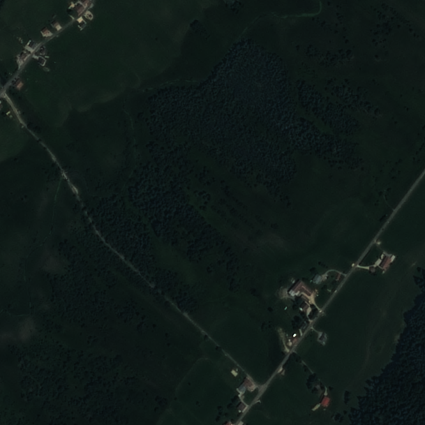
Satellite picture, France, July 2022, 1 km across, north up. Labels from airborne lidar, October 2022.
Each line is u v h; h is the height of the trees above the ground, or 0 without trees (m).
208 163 0
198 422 0
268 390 0
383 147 0
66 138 0
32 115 0
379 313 0
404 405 18
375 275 8
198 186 0
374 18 0
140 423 0
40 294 0
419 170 0
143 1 0
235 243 0
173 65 0
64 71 0
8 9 0
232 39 0
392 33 9
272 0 0
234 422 9
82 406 14
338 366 0
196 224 17
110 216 15
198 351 0
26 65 0
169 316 0
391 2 0
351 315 0
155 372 0
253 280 0
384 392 26
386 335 0
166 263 0
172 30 0
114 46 0
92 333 0
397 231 0
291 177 23
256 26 0
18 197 0
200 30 15
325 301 0
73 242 0
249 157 14
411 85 0
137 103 0
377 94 0
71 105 0
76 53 0
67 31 0
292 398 0
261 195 0
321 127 0
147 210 25
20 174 0
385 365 0
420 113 0
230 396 0
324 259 0
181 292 10
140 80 0
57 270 0
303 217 0
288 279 0
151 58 0
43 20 0
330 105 11
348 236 0
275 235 0
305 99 23
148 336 0
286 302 0
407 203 0
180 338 0
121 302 0
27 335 0
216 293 0
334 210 0
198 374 0
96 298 12
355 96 13
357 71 0
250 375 0
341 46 0
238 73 13
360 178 0
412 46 0
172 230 12
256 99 10
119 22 0
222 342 0
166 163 26
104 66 0
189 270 0
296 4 0
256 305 0
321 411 0
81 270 16
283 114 28
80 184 0
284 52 0
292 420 0
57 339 0
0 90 0
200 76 0
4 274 0
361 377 0
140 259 13
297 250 0
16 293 0
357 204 0
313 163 0
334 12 0
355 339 0
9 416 0
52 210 0
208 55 0
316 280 0
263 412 0
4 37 0
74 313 9
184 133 10
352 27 0
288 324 0
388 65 0
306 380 0
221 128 14
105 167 0
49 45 0
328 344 0
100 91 0
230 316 0
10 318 0
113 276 14
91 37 0
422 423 21
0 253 0
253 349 0
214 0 0
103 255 16
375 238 0
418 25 0
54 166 11
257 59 12
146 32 0
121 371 0
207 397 0
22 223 0
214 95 14
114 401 16
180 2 0
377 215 0
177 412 0
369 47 0
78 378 10
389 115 0
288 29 0
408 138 0
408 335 18
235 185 0
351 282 0
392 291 0
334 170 0
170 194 19
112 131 0
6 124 0
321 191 0
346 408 0
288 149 9
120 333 0
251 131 11
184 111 15
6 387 0
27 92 0
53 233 0
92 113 0
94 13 0
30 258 0
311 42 0
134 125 0
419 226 0
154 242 0
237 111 10
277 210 0
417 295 0
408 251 0
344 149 9
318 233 0
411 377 27
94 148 0
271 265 0
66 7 0
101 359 11
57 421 10
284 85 22
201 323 0
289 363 9
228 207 7
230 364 0
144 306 0
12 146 0
